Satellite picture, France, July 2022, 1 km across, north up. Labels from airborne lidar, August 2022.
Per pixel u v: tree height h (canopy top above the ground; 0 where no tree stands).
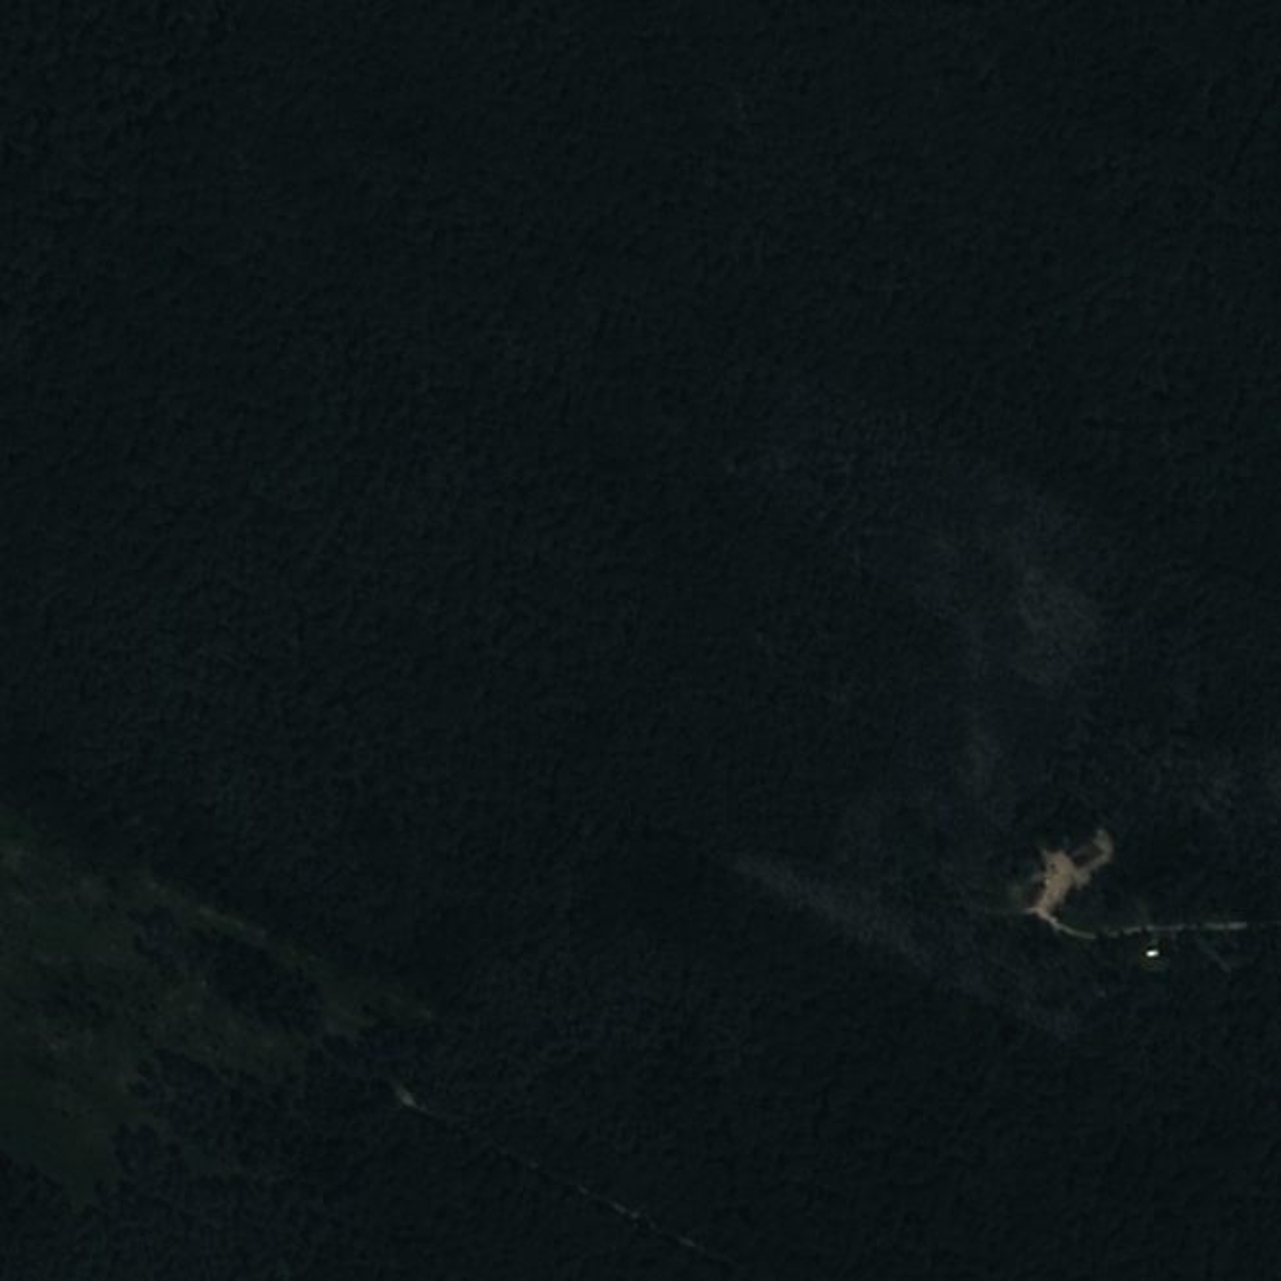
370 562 18
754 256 25
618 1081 24
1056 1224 19
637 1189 18
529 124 24
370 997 0
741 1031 25
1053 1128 19
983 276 20
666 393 22
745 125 22
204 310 19
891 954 21
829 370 24
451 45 22
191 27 27
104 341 20
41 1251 27
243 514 17
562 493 19
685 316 25
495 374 16
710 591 20
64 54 19
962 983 25
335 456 20
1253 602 23
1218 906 24
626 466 17
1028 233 23
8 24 25
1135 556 20
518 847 21
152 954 32
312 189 27
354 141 20
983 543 23
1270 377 26
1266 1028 25
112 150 22
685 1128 21
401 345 17
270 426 23
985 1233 22
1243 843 26
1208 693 21
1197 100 22
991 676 23
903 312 23
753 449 24
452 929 28
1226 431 19
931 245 21
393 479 16
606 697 20
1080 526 24
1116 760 24
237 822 19
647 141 22
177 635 18
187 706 20
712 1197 21
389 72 22
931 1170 18
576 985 19
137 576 23
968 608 20
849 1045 18
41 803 27
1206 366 24
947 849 23
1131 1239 23
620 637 13
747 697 21
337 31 24
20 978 0
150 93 13
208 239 20
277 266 18
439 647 19
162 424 24
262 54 22
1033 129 23
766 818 20
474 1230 23
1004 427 23
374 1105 29
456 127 27
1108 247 21
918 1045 21
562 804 24
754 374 23
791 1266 26
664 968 24
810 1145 21
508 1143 18
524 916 26
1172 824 18
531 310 24
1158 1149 28
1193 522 23
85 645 19
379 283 24
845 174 22
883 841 17
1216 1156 26
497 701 20
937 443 25
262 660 22
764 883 23
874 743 16
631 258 23
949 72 26
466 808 19
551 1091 24
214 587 18
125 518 20
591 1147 21
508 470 16
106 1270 21
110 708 21
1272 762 23
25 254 22
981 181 22
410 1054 30
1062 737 27
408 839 20
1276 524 23
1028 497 25
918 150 22
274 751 21
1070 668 17
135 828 21
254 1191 27
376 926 20
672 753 20
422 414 18
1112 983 22
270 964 30
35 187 23
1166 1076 26
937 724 21
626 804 19
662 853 25
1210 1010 26
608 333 19
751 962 24
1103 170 16
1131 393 20
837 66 22
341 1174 14
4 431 23
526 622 20
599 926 26
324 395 18
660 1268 22
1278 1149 27
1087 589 23
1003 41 19
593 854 25
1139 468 22
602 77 21
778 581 16
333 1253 21
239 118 27
